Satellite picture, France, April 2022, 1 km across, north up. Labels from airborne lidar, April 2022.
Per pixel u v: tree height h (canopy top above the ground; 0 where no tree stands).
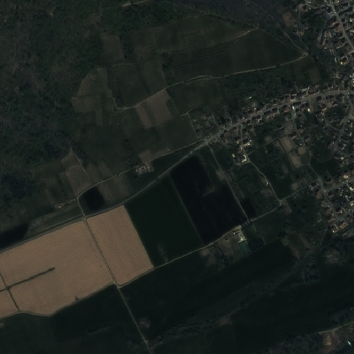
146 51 0
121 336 0
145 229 0
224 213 0
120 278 0
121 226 0
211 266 0
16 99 8
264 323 0
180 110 0
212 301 0
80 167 0
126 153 0
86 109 0
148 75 0
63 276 0
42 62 18
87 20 16
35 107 21
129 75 0
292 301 0
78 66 8
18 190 29
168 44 0
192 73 0
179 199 0
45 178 0
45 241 0
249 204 0
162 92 0
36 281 0
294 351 20
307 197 0
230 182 0
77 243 0
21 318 0
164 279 0
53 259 0
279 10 25
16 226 0
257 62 0
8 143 16
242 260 0
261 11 18
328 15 0
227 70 0
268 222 0
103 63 0
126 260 0
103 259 0
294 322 0
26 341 0
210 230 0
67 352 0
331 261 0
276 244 0
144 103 0
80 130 0
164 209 0
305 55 0
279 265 0
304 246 0
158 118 0
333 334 0
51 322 0
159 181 12
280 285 0
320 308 0
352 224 0
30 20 16
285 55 0
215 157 0
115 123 0
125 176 0
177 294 0
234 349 0
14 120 15
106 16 17
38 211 0
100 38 0
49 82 14
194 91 0
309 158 0
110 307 0
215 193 0
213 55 0
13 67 18
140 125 0
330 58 10
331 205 0
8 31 23
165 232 0
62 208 0
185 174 0
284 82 18
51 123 18
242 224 0
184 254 0
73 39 15
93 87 0
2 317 0
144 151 0
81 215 0
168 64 7
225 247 0
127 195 0
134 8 9
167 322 0
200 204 0
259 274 0
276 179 0
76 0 15
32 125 25
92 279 0
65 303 0
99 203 0
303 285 0
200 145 0
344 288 0
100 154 0
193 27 0
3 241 0
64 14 17
